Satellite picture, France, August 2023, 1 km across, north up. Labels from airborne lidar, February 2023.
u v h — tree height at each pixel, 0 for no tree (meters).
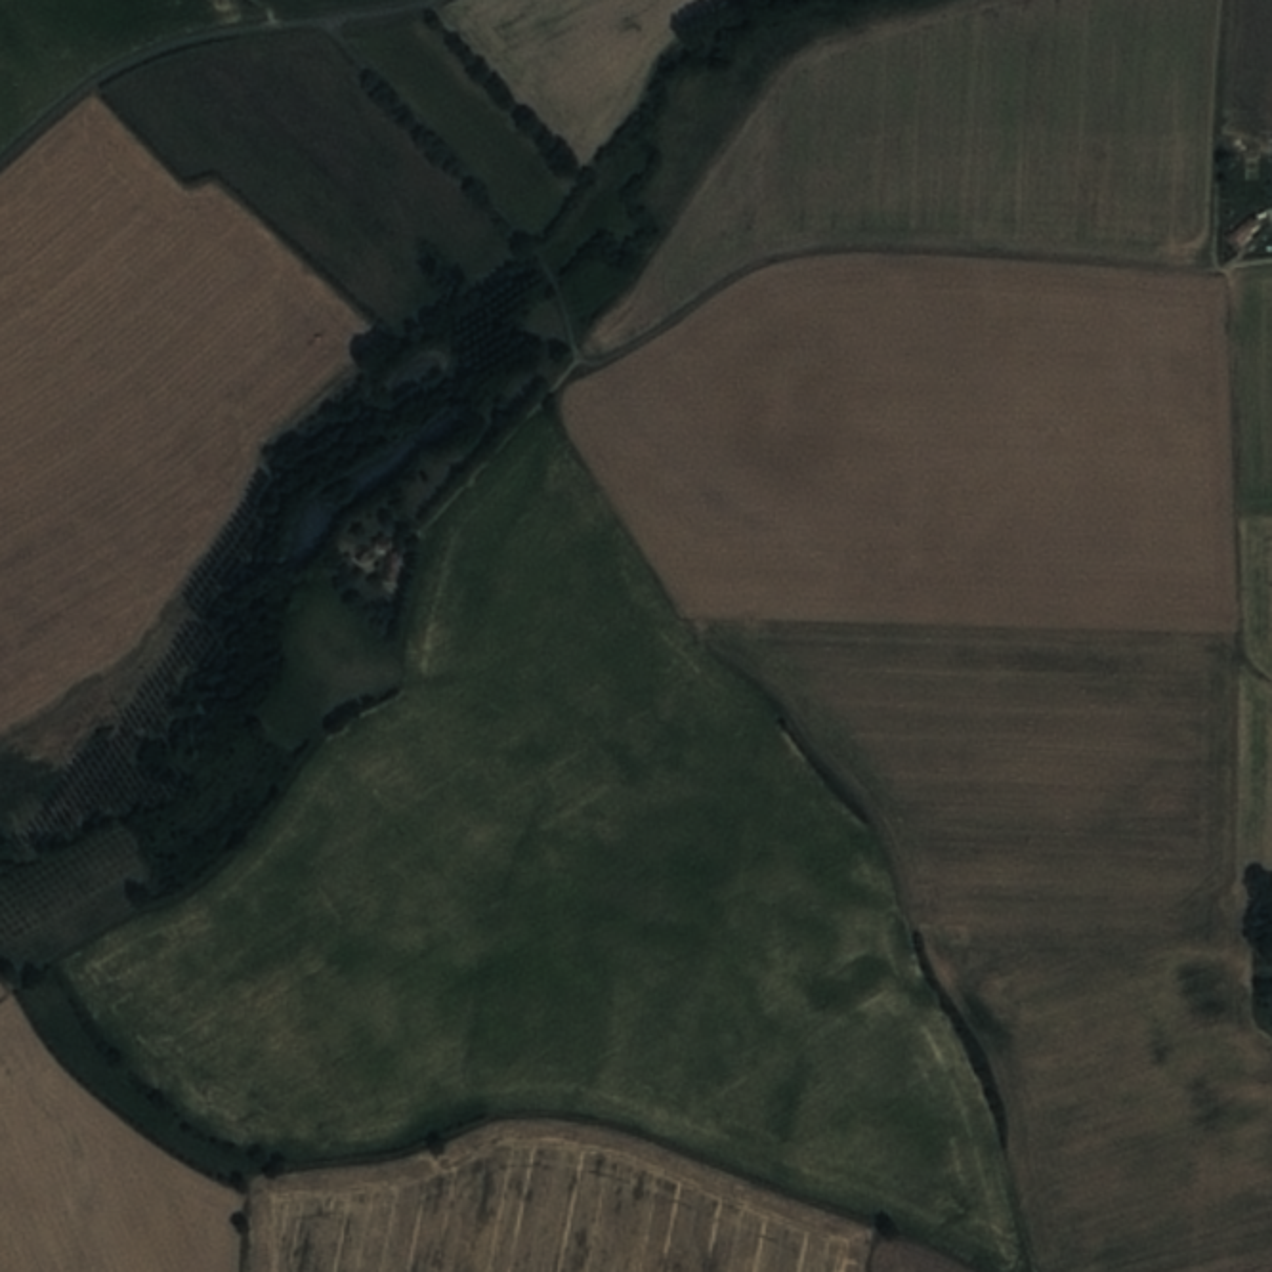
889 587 0
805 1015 0
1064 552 0
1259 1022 0
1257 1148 0
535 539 0
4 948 0
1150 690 0
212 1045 0
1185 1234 0
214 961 0
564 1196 0
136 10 0
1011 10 0
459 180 13
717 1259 0
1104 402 0
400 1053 0
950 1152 0
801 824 0
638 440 0
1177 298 0
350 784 0
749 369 0
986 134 0
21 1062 0
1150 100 0
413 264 0
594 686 0
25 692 0
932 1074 0
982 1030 0
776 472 0
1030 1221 0
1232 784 0
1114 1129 0
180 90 0
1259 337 0
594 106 0
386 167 0
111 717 0
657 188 0
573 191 6
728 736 0
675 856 0
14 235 0
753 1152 0
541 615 0
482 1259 0
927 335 0
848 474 0
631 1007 0
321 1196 0
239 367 0
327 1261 0
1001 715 0
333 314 0
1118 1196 0
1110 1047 0
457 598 0
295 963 0
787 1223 0
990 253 0
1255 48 0
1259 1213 0
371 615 13
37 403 0
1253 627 0
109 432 0
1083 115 0
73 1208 0
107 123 0
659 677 0
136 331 0
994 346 0
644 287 0
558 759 0
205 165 0
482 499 0
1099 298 0
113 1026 0
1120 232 0
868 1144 0
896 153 0
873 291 0
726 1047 0
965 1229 0
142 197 0
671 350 0
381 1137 0
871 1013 0
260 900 0
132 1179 0
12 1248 0
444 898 0
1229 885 0
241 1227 13
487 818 0
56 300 0
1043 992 0
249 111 0
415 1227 0
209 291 0
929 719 0
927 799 0
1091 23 0
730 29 6
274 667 13
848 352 0
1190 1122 0
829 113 0
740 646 0
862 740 0
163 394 0
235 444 0
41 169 0
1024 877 0
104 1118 0
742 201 0
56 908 0
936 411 0
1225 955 0
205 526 0
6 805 0
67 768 0
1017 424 0
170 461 0
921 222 0
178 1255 0
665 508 0
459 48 15
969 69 0
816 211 0
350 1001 0
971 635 0
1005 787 0
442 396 10
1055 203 0
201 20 0
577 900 0
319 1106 0
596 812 0
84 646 0
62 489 0
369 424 14
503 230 6
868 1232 0
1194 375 0
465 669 0
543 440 0
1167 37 0
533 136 10
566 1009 0
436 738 0
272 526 15
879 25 0
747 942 0
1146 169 0
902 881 0
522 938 0
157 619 0
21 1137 0
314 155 0
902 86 0
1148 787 0
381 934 0
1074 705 0
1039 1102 0
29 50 0
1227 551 0
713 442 0
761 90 0
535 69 0
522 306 19
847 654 0
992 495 0
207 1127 0
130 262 0
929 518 0
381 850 0
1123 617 0
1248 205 0
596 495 0
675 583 0
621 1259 0
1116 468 0
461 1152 0
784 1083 0
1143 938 0
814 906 0
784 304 0
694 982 0
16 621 0
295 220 0
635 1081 0
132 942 0
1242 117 0
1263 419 0
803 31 0
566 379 0
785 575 0
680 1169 0
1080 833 0
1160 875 0
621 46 0
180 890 8
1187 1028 0
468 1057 0
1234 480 0
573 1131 0
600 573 0
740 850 0
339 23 0
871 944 0
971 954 0
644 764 0
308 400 0
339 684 0
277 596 23
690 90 0
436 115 0
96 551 0
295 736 0
